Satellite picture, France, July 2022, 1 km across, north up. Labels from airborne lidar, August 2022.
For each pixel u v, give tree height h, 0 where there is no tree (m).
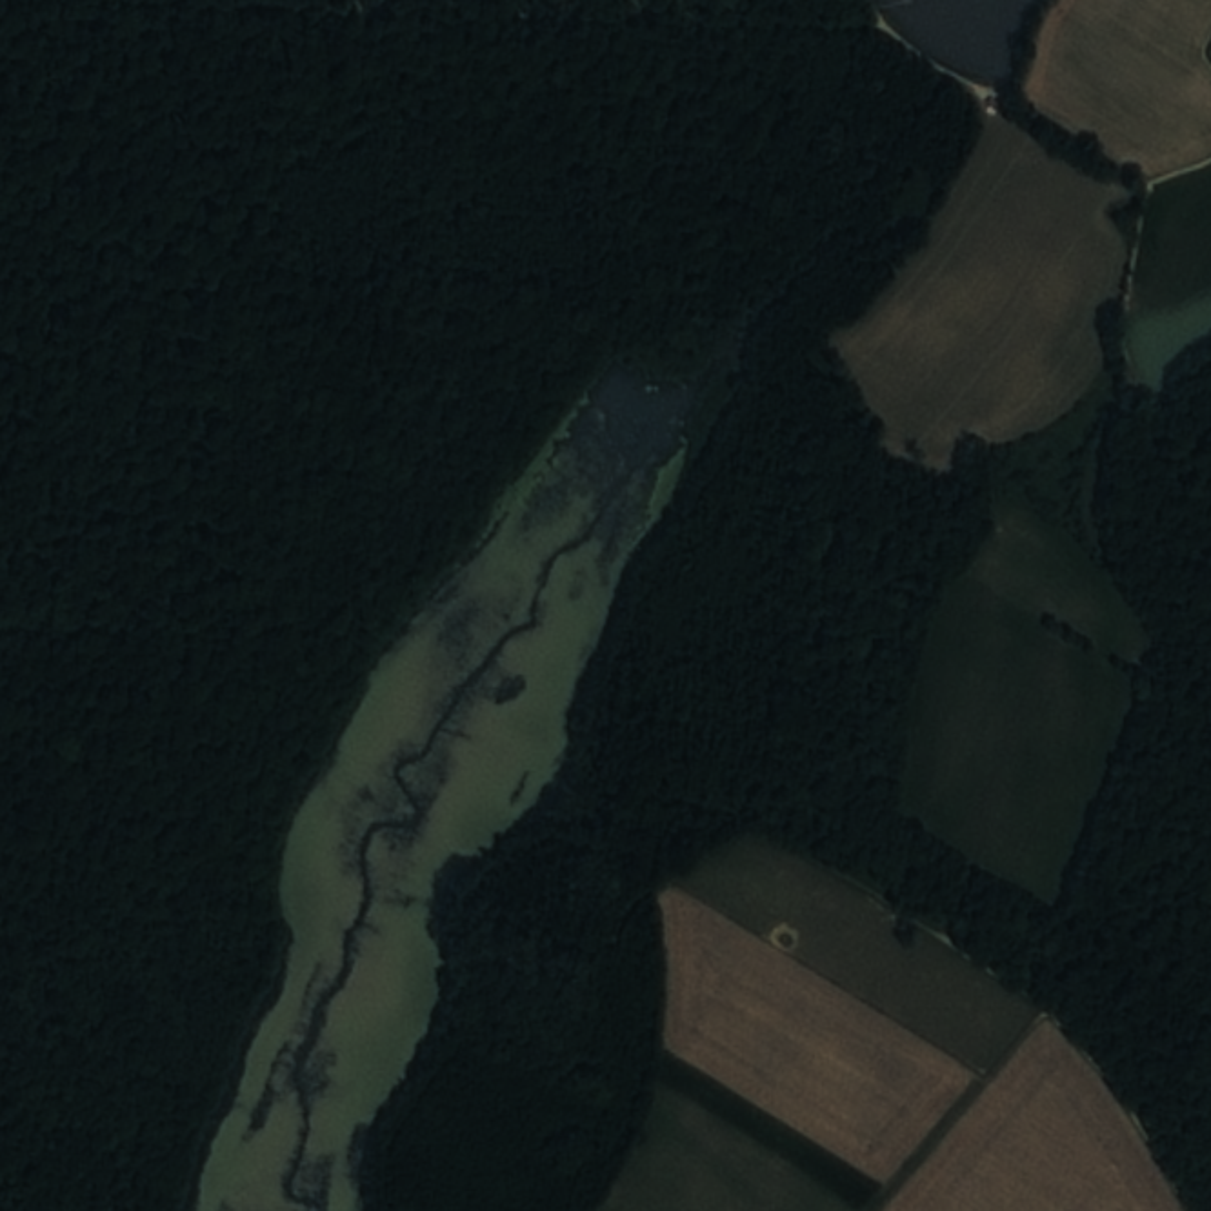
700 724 12
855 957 0
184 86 22
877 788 24
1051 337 0
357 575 18
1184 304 0
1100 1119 0
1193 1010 12
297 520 18
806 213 17
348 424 17
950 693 0
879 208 19
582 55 25
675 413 0
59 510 15
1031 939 17
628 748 23
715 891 0
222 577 25
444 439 19
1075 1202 0
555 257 17
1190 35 0
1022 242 0
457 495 24
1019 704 0
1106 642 0
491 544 0
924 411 0
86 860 20
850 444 21
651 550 17
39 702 28
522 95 18
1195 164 0
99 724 23
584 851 29
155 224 26
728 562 9
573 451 0
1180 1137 24
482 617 0
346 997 0
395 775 0
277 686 13
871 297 20
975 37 0
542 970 28
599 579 0
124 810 19
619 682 18
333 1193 0
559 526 0
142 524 23
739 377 14
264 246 16
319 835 0
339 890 0
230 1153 0
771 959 0
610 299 22
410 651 0
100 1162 22
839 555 21
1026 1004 0
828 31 17
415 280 20
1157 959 21
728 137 25
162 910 21
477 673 0
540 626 0
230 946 21
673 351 5
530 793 0
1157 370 0
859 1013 0
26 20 18
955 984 0
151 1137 20
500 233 19
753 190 26
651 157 20
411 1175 9
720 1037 0
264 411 22
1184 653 16
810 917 0
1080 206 0
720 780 10
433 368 17
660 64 21
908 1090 0
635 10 9
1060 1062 0
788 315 24
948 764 0
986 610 0
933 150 23
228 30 18
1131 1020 19
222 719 25
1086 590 0
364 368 17
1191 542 18
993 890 22
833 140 23
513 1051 16
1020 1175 0
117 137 21
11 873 25
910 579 20
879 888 0
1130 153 0
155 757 21
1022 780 0
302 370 18
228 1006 22
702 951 0
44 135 16
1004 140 0
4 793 17
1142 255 0
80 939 22
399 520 22
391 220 16
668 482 0
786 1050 0
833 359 22
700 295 14
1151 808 20
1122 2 0
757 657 15
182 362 19
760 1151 0
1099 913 9
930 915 13
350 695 16
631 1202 0
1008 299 0
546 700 0
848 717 17
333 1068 0
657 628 10
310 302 20
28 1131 19
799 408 20
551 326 18
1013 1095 0
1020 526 0
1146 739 15
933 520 22
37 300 21
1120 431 22
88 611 25
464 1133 7
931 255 0
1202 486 24
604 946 9
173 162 23
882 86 19
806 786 24
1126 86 0
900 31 0
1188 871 19
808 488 21
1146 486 22
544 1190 7
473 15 26
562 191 16
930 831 17
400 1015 0
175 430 21
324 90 22
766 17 20
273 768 25
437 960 0
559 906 14
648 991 9
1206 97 0
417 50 25
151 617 18
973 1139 0
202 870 18
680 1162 0
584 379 11
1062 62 0
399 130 17
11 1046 22
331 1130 0
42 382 18
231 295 24
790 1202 0
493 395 25
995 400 0
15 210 23
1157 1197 0
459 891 20
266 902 24
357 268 17
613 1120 7
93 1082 20
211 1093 14
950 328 0
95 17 9
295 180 16
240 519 17
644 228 20
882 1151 0
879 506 23
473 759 0
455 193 20
